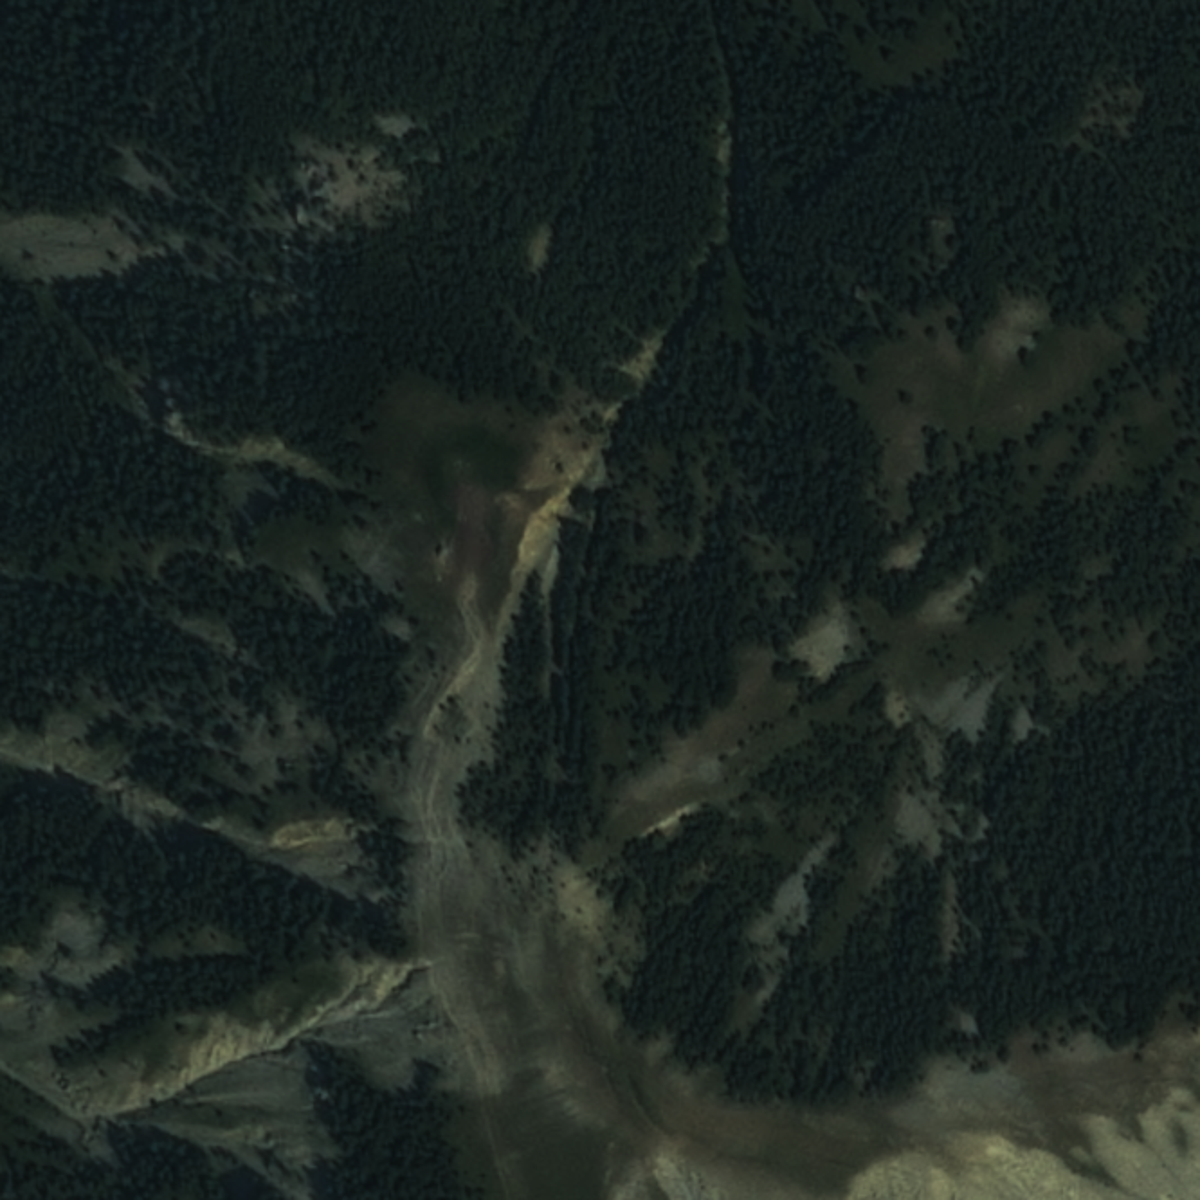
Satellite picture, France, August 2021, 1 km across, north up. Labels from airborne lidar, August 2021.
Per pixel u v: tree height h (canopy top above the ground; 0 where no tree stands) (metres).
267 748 0
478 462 0
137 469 21
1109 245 25
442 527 0
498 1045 0
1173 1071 0
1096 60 9
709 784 0
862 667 10
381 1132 15
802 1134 0
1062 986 16
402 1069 0
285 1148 0
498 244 16
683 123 18
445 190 16
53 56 30
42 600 14
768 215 29
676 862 17
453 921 0
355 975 0
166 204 18
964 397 0
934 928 13
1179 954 17
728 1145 0
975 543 21
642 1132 0
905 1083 10
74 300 26
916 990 18
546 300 15
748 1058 18
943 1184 0
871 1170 0
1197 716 22
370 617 6
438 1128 10
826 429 26
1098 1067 0
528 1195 0
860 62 0
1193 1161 0
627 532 8
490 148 21
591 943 0
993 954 19
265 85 30
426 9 25
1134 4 27
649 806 0
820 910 9
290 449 11
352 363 21
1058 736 7
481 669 0
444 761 0
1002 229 24
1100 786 12
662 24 16
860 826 8
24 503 13
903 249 24
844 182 25
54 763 0
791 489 22
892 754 9
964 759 9
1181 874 20
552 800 10
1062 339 0
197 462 15
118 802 0
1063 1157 0
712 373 20
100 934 0
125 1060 0
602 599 15
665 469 0
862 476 18
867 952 8
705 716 16
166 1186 18
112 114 33
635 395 6
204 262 18
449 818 0
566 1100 0
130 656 14
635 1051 0
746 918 13
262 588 17
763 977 14
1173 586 11
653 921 13
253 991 10
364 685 16
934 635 0
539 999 0
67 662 16
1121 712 13
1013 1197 0
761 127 16
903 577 18
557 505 0
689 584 16
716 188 25
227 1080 0
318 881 0
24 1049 0
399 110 20
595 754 17
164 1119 0
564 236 24
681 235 31
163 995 17
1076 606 15
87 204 21
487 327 21
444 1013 0
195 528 8
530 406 16
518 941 0
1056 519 10
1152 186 24
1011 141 32
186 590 9
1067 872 9
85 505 23
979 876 8
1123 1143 0
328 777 11
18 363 24
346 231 7
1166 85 24
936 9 23
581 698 16
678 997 15
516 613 0
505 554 0
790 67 19
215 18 12
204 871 18
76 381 17
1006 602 10
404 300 21
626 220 30
